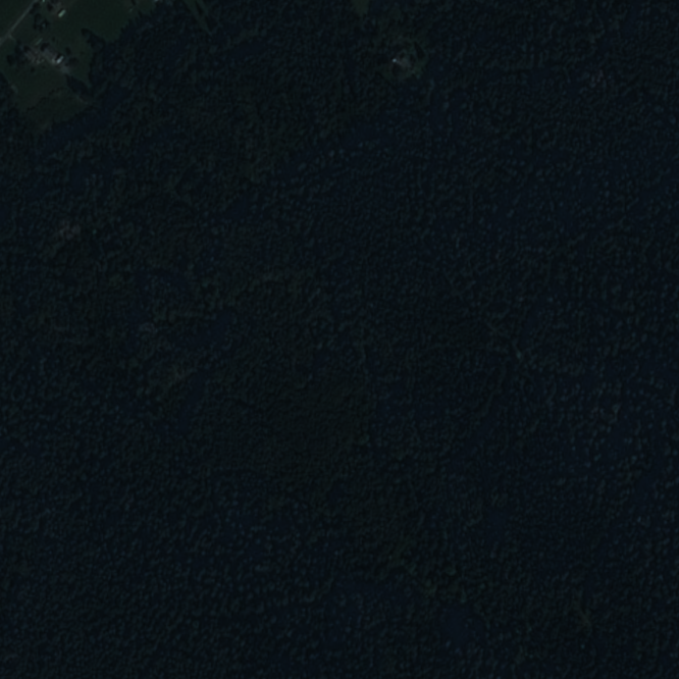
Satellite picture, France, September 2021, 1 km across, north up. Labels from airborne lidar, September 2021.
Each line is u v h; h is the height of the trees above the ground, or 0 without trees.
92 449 35
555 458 27
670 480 13
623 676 19
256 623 18
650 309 14
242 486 27
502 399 8
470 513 36
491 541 19
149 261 27
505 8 27
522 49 32
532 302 29
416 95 8
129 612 29
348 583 16
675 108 24
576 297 25
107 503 26
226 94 18
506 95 30
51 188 20
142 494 32
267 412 22
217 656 28
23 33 0
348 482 17
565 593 27
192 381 9
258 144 19
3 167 10
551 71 25
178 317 28
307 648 27
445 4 25
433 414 14
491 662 14
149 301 28
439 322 19
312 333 11
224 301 25
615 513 22
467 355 13
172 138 7
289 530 19
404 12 26
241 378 29
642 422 18
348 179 32
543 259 28
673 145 32
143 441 28
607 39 9
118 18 0
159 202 7
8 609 31
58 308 28
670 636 27
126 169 27
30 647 30
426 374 18
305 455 19
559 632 17
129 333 15
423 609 28
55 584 24
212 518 28
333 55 28
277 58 30
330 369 19
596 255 21
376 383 31
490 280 25
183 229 9
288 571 15
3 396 26
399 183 31
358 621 32
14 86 0
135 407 11
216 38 6
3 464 18
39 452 28
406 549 17
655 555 29
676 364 26
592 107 33
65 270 9
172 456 30
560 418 30
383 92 21
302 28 34
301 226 30
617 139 30
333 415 19
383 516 18
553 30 30
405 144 27
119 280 19
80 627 27
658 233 19
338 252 27
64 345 7
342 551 25
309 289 11
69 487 27
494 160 13
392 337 20
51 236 35
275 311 8
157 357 12
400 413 21
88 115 7
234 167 23
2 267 27
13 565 26
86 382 12
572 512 23
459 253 25
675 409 16
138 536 15
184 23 25
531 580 14
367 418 21
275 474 26
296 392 17
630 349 33
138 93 32
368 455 20
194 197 25
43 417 22
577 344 31
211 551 25
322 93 35
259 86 28
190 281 23
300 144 8
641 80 31
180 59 31
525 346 27
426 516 10
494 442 22
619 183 25
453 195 30
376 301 22
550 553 19
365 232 29
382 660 32
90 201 38
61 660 25
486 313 15
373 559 20
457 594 16
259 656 21
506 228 30
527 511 29
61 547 27
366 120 8
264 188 15
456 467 16
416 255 24
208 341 11
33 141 12
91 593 26
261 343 24
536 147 26
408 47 5
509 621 26
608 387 33
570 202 33
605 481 21
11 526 30
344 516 19
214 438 24
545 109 24
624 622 17
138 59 12
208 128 21
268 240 26
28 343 10
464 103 19
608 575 14
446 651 35
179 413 7
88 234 11
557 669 20
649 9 11
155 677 25
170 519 17
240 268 22
